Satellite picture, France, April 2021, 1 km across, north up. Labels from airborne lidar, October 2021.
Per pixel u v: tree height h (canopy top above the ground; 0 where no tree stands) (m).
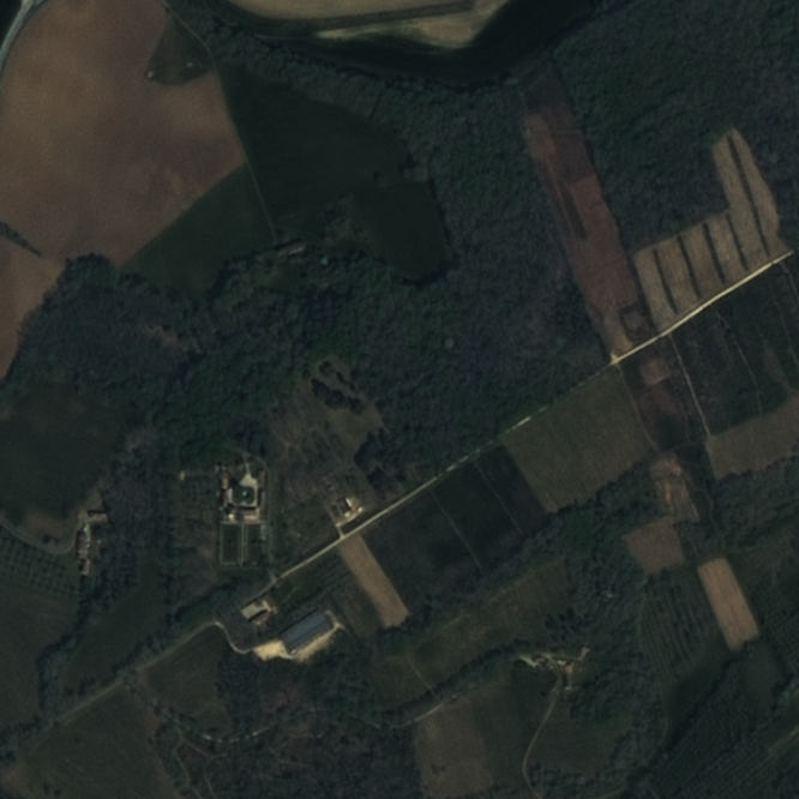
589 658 6
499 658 16
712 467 18
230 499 0
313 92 17
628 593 22
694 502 12
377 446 21
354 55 0
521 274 22
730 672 17
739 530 15
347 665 19
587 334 19
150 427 18
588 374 19
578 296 23
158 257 0
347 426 0
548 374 21
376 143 0
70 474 0
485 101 24
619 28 20
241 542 0
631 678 19
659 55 21
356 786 20
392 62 0
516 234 26
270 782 17
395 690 0
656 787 25
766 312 7
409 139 22
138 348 20
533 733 0
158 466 20
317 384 0
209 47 10
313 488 16
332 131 0
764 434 0
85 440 0
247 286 21
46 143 0
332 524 10
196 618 20
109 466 0
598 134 14
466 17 0
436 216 0
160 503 24
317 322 28
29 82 0
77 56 0
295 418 17
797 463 13
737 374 12
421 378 23
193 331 25
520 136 17
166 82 0
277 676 16
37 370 22
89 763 0
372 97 22
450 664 0
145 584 0
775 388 9
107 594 17
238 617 25
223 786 16
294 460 10
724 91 17
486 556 7
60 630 0
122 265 0
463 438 22
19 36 0
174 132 0
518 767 0
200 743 21
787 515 11
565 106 0
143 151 0
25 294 0
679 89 11
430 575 13
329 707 19
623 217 22
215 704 0
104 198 0
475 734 0
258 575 0
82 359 21
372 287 24
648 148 20
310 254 6
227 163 0
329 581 9
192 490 12
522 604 0
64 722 17
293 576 0
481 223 26
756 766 27
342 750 14
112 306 19
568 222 0
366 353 20
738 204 0
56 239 0
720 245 0
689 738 22
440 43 0
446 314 27
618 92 20
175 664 0
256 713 24
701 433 15
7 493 0
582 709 11
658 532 0
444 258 0
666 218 21
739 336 6
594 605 24
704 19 16
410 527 11
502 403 22
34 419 0
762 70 18
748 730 22
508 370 21
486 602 22
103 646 0
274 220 0
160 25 0
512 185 23
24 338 12
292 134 0
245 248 0
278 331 19
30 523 0
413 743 19
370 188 0
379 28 0
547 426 0
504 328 20
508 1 0
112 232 0
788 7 22
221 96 0
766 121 21
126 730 0
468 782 0
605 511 25
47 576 14
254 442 23
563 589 0
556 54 20
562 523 21
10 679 0
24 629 0
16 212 0
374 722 23
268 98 0
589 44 19
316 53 0
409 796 18
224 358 26
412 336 31
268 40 0
